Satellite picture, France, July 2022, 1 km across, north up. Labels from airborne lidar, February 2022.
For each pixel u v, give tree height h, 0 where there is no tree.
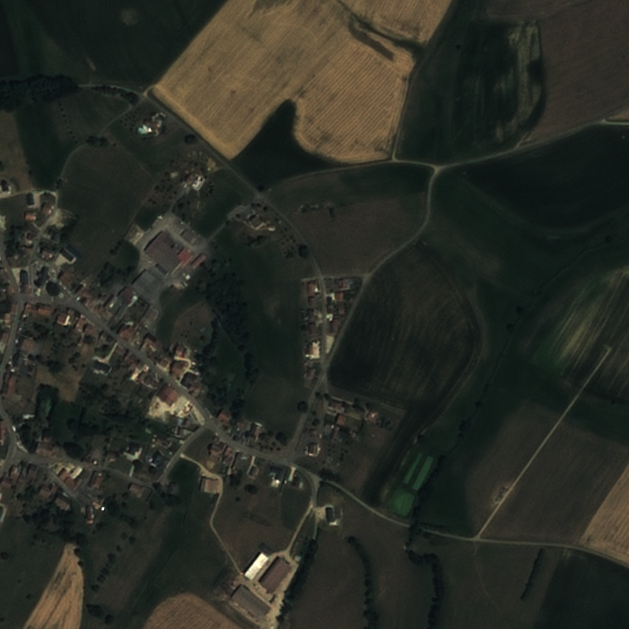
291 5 0
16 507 0
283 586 0
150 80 0
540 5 0
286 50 0
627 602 0
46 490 0
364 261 0
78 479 0
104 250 0
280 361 0
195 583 0
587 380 0
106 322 0
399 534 0
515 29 0
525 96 0
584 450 0
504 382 0
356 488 0
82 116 0
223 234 0
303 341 0
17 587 0
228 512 0
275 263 0
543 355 0
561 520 0
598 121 0
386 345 0
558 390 0
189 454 0
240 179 0
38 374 0
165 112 0
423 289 0
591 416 0
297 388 0
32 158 0
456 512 0
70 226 0
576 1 0
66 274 0
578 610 0
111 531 0
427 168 0
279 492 0
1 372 0
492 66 0
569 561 0
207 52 0
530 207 0
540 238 0
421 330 0
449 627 0
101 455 0
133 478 0
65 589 0
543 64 0
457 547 0
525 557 0
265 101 0
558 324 0
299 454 0
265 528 0
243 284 9
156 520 0
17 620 0
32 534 0
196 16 0
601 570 0
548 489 0
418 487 0
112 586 0
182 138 0
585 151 0
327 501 0
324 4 0
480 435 0
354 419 0
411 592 0
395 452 0
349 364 0
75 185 0
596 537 0
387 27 0
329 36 0
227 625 0
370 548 0
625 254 0
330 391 0
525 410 0
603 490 0
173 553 0
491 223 0
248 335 10
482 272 0
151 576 0
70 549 0
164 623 0
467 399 0
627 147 0
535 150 0
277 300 0
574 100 0
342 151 0
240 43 0
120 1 0
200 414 0
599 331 0
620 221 0
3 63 0
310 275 0
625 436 0
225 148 0
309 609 0
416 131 0
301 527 0
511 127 0
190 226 0
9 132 0
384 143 0
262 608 0
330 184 0
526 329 0
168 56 0
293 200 0
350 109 0
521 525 0
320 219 0
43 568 0
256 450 0
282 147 0
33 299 0
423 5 0
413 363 0
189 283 0
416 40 0
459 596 0
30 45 0
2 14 0
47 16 0
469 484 0
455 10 0
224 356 0
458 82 0
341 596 0
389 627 0
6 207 0
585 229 0
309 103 0
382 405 0
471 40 0
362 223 0
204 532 0
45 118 0
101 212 0
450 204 0
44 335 8
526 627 0
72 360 9
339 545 0
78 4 0
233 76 0
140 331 0
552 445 0
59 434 0
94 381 0
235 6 0
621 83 0
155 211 0
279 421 0
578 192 0
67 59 0
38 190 0
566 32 0
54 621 0
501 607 0
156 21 0
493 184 0
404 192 0
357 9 0
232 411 9
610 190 0
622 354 0
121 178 0
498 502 0
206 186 0
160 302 0
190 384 0
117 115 0
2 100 16
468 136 0
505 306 0
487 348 0
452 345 0
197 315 0
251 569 0
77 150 0
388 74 0
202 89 0
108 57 0
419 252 0
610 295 0
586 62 0
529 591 7
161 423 0
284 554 0
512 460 0
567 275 0
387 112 0
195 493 0
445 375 0
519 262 0
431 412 0
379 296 0
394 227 0
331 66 0
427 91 0
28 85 8
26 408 0
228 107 0
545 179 0
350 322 0
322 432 0
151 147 0
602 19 0
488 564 0
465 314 0
